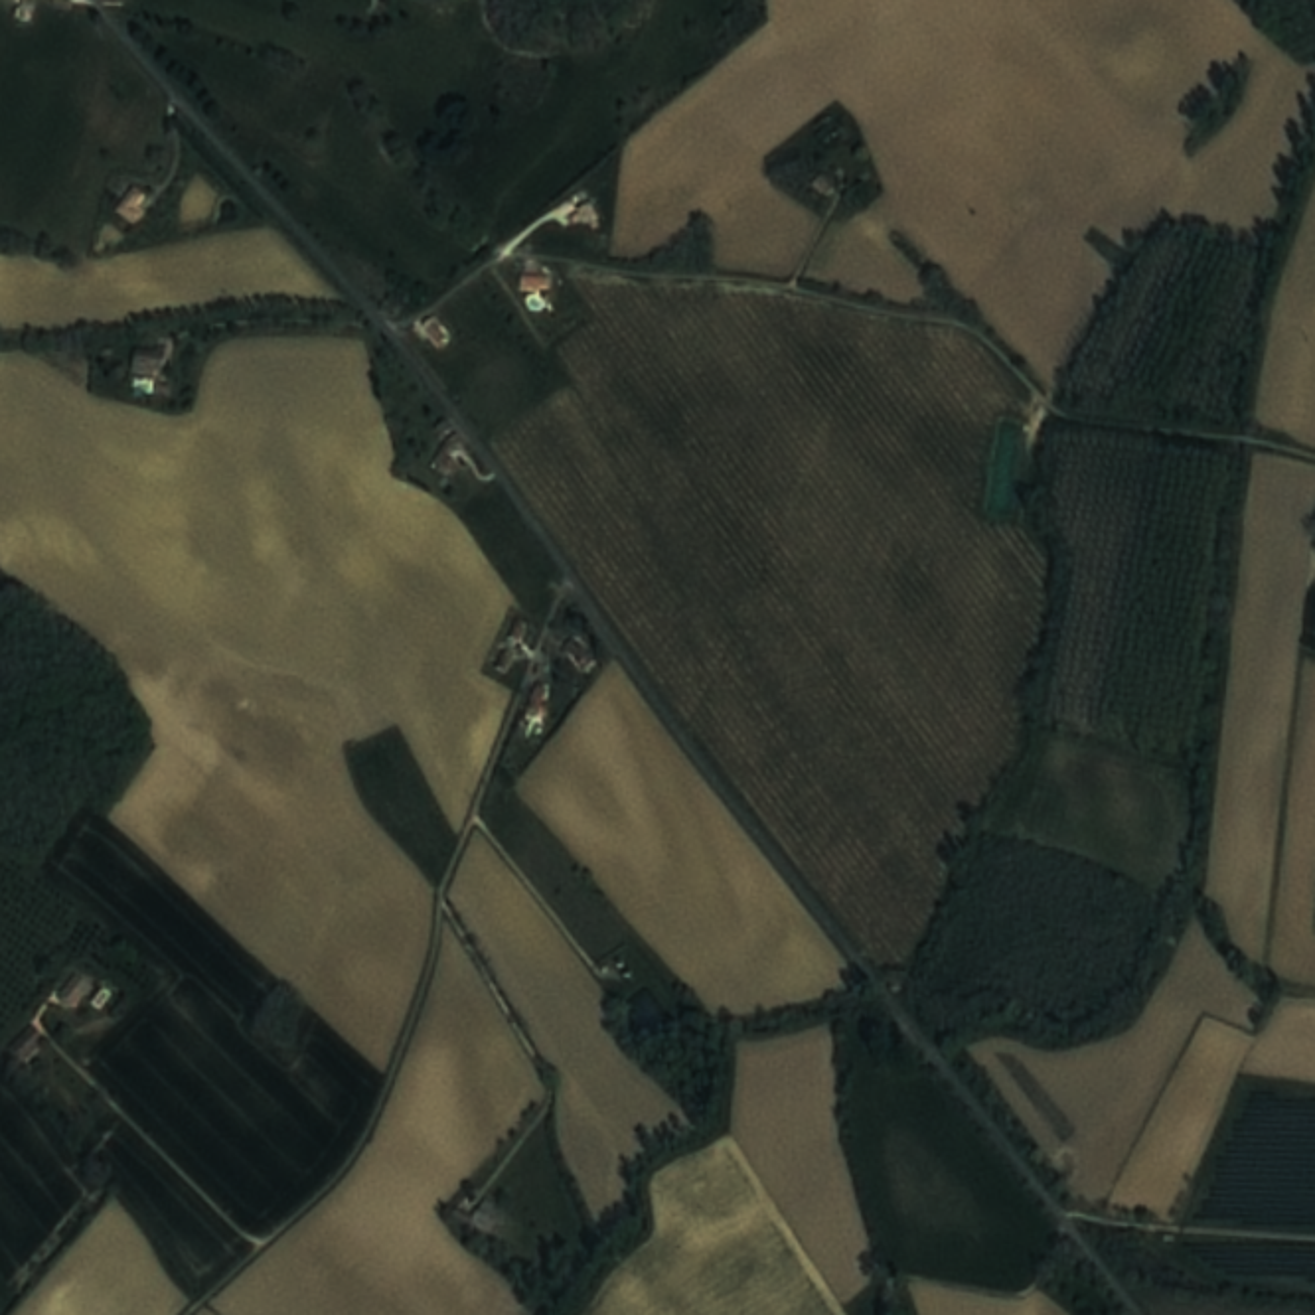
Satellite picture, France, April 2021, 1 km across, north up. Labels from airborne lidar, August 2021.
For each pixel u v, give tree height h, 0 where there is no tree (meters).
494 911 0
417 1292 0
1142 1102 0
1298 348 0
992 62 0
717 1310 0
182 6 0
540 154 0
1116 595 27
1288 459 0
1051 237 0
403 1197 0
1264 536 0
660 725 0
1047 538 8
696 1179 0
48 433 0
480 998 0
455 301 0
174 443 0
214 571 0
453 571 0
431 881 0
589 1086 0
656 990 0
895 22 0
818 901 0
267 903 0
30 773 23
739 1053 0
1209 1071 0
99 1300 0
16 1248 0
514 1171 0
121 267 0
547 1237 0
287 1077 0
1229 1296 12
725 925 0
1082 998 7
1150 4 0
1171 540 27
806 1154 0
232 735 0
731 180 0
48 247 13
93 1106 14
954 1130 0
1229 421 21
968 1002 14
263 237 0
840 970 0
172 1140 0
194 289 0
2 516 0
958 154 0
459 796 0
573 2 19
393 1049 0
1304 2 28
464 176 0
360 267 0
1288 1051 0
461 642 0
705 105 0
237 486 0
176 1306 0
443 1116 0
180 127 10
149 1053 0
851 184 7
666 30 0
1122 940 7
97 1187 20
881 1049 28
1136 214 0
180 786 0
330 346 0
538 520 0
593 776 0
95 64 0
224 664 0
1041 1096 0
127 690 15
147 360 0
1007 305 0
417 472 0
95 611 0
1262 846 0
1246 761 0
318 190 0
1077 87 0
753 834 0
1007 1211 0
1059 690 29
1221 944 9
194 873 0
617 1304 0
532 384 0
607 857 0
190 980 0
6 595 20
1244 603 0
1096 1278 19
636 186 0
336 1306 0
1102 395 27
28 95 0
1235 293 27
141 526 0
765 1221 0
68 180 0
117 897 0
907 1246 0
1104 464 29
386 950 0
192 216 0
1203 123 28
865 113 0
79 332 10
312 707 0
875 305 13
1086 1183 0
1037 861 7
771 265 0
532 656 0
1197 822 14
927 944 7
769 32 0
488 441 0
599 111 0
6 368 0
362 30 10
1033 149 0
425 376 0
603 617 0
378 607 0
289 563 0
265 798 0
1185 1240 0
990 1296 0
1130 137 0
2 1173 0
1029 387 0
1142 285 27
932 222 0
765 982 0
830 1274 0
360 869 0
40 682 22
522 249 0
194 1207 0
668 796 0
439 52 0
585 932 0
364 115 12
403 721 0
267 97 0
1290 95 0
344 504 0
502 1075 0
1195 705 24
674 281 0
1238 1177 0
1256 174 0
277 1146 0
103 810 18
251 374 0
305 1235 0
